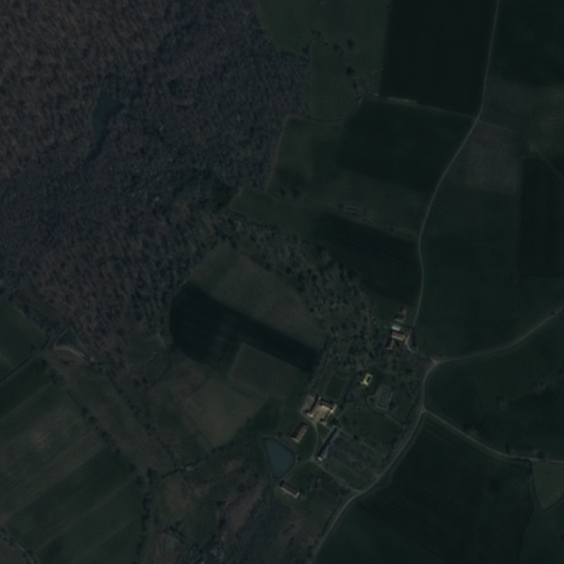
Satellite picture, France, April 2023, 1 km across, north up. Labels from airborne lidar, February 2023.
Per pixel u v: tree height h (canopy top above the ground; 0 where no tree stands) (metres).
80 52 21
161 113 18
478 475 0
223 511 6
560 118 0
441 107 0
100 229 9
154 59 16
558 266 0
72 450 0
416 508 0
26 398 0
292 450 0
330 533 0
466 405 0
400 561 0
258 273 0
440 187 0
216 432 0
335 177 0
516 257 0
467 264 0
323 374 7
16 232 19
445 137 0
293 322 0
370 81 0
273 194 0
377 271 0
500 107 0
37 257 14
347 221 0
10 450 0
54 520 0
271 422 0
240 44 21
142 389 23
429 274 0
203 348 0
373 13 0
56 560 0
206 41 21
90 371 0
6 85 14
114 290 23
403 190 0
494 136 0
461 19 0
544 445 0
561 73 0
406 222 0
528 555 0
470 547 0
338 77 0
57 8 25
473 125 0
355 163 0
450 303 0
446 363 0
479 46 0
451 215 0
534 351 0
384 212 0
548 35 0
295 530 0
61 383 20
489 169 0
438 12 0
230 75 18
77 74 22
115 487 0
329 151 0
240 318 0
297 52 0
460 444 0
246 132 14
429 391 0
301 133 0
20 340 0
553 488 0
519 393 0
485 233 0
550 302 0
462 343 0
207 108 17
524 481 0
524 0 0
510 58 0
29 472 0
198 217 27
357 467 13
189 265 11
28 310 8
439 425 0
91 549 0
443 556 0
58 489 0
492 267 0
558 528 0
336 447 14
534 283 0
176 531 8
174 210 22
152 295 23
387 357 19
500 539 0
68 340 0
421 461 0
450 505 0
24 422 0
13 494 0
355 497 0
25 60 22
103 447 0
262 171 20
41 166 18
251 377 0
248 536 12
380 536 0
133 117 19
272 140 20
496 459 0
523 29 0
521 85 0
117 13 23
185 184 19
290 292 0
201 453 0
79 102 19
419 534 0
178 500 0
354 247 0
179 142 23
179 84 17
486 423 0
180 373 0
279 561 0
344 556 0
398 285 0
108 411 0
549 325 0
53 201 23
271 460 0
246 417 0
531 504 0
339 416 0
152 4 25
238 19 21
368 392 9
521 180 0
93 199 15
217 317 0
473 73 0
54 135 25
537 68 0
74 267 0
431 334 0
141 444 0
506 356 0
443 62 0
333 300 20
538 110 0
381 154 0
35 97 24
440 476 0
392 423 0
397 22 0
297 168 0
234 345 0
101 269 13
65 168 17
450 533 0
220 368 0
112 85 15
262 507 12
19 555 0
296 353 0
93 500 0
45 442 0
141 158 9
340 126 0
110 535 0
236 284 0
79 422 0
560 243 0
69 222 21
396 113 0
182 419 0
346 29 0
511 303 0
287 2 0
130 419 0
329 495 0
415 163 0
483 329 0
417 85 0
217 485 0
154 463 0
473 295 0
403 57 0
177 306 0
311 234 0
